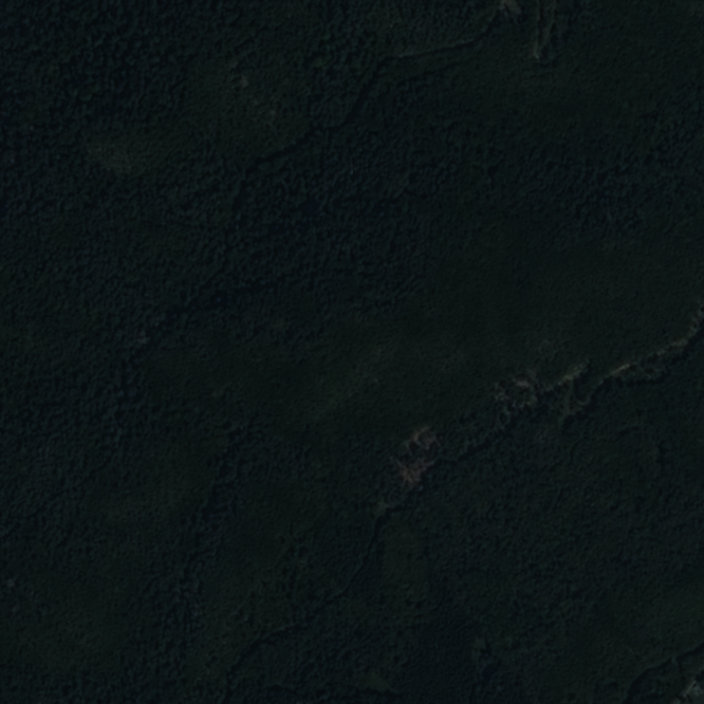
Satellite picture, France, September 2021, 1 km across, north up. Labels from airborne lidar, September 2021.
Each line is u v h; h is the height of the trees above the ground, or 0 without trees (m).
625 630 15
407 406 18
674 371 20
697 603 16
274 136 15
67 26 12
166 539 15
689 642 16
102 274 29
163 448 13
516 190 27
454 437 20
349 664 34
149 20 19
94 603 19
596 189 13
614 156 25
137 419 19
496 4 11
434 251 26
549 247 18
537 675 21
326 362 20
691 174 25
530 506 25
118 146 15
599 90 22
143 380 21
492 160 30
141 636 22
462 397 20
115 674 14
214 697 23
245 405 24
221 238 18
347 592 13
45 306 26
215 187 10
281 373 22
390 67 26
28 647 13
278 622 9
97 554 20
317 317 24
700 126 27
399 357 15
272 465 22
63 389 20
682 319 18
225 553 17
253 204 31
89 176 23
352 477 28
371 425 24
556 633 20
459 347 18
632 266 18
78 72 18
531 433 26
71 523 14
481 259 21
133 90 20
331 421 17
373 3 11
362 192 31
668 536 28
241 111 8
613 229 21
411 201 32
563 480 25
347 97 28
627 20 27
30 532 18
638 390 22
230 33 23
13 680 25
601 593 23
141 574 14
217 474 20
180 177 25
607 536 24
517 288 20
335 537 12
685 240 17
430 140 30
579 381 9
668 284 15
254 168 12
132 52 31
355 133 38
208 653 15
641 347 17
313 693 14
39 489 14
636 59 27
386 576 14
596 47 27
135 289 14
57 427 10
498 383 21
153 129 16
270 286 12
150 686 19
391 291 24
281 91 7
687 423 26
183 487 12
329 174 34
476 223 29
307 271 24
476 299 21
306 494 27
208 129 21
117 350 22
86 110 17
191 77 18
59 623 15
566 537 25
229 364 22
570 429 22
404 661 22
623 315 16
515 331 18
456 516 22
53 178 20
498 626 24
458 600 27
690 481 22
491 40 17
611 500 25
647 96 28
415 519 21
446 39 15
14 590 15
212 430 21
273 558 22
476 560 29
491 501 23
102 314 12
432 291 21
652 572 18
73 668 14
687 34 25
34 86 13
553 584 29
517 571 23
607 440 25
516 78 15
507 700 28
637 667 25
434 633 25
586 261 17
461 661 26
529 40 18
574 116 29
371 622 25
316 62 33
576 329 14
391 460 26
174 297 12
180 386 22
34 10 19
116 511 15
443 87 23
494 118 26
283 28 22
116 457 19
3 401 26
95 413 16
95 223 22
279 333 8
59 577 21
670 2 22
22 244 18
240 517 20
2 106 11
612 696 25
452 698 26
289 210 29
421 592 22
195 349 21
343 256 22
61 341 12
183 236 20
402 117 29
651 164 35
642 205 29
